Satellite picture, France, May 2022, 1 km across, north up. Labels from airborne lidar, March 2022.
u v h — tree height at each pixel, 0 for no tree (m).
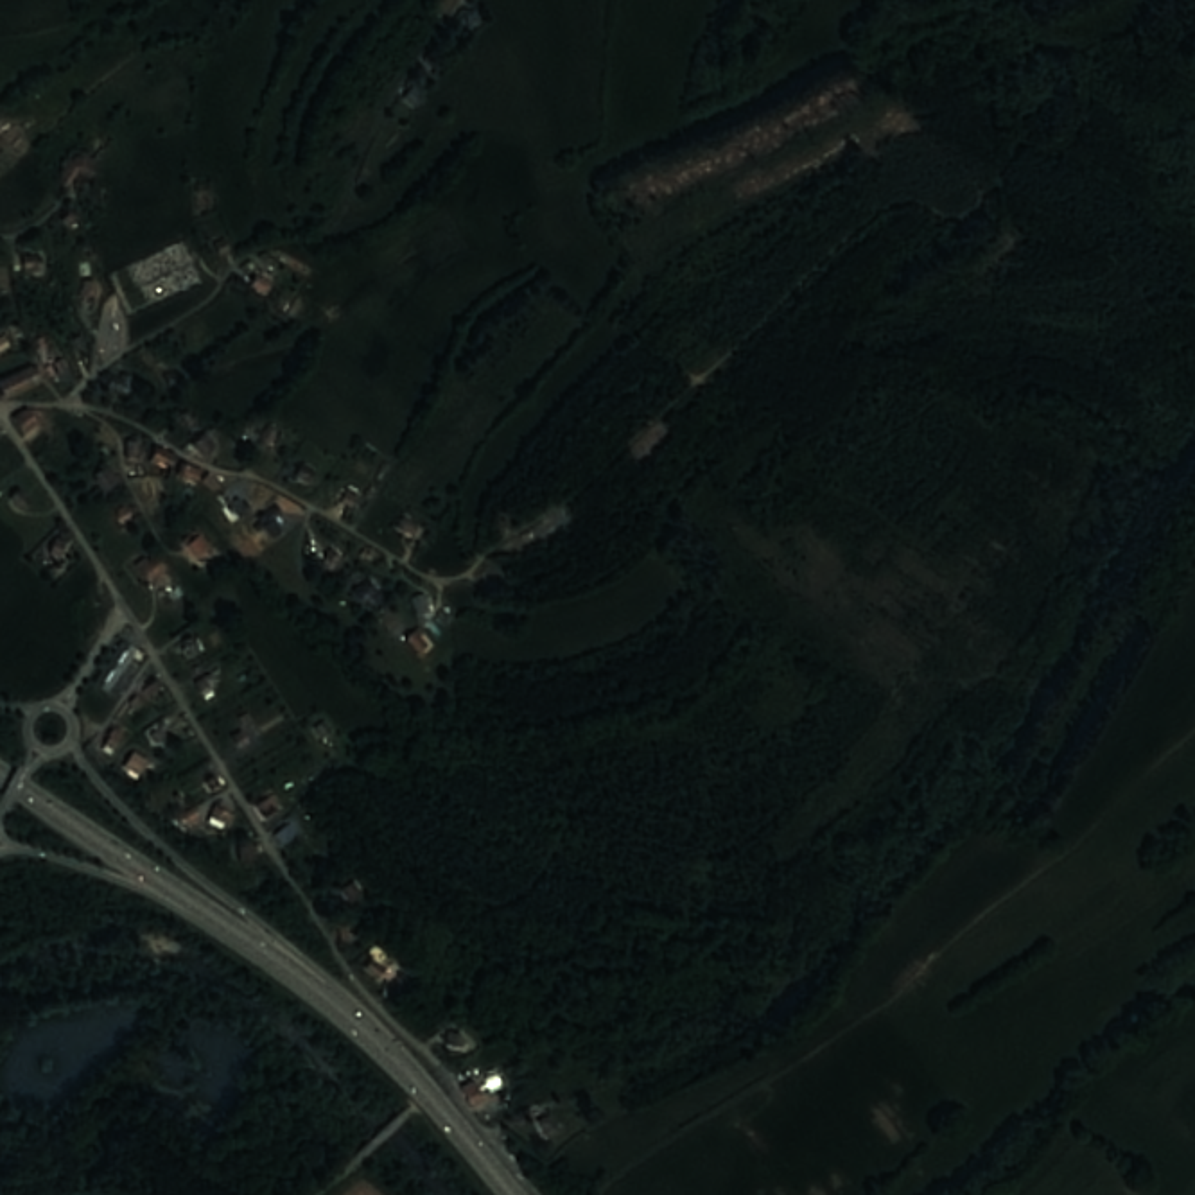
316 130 11
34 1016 10
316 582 13
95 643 0
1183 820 17
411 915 16
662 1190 0
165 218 0
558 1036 21
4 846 0
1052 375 15
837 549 0
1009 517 0
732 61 22
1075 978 0
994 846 0
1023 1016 0
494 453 0
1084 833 0
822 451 7
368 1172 13
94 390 12
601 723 22
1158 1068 0
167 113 0
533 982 23
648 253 0
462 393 0
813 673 9
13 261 0
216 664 0
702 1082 5
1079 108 13
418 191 12
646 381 15
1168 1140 0
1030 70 26
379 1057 0
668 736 0
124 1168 25
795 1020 18
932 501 6
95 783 0
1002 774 21
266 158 0
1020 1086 0
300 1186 26
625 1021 24
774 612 0
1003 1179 28
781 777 12
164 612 0
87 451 19
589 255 0
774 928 15
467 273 0
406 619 0
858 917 20
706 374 0
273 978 0
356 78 7
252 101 0
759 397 17
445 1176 13
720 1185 0
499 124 0
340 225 0
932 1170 0
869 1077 0
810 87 26
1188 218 26
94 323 0
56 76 15
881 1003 0
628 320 12
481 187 0
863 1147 0
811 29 0
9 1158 27
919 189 8
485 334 12
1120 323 6
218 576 17
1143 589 29
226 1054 0
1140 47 26
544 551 6
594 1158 0
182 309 0
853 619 0
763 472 10
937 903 0
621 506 9
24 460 0
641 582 0
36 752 0
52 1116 18
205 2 0
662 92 0
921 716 0
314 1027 11
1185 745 0
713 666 18
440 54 11
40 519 0
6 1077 0
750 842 12
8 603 0
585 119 0
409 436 7
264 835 0
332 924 21
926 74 19
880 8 24
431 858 11
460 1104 0
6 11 0
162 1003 14
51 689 0
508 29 0
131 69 0
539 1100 0
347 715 0
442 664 0
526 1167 17
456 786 12
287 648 0
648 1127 0
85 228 0
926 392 9
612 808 13
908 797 6
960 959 0
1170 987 22
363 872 15
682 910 8
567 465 17
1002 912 0
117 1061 19
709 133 24
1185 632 0
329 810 17
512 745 16
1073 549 6
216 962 13
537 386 7
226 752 0
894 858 26
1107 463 16
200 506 0
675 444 8
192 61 0
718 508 0
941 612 0
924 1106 0
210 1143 25
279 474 0
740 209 0
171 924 16
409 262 0
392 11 11
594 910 22
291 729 0
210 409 0
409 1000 27
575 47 0
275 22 0
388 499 0
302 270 0
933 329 6
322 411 0
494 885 14
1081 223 11
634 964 21
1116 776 0
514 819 14
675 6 0
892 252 8
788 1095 0
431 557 0
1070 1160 0
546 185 0
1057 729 0
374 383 0
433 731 23
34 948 12
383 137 0
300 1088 22
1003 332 7
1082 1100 13
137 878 0
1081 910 0
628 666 17
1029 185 15
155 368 0
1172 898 0
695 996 26
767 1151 0
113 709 0
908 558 0
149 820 11
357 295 0
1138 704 0
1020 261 11
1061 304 6
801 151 0
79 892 10
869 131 0
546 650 0
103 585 0
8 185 0
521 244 6
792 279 7
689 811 11
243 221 0
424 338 0
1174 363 13
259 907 10
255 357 0
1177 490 26
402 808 14
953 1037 0
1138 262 13
